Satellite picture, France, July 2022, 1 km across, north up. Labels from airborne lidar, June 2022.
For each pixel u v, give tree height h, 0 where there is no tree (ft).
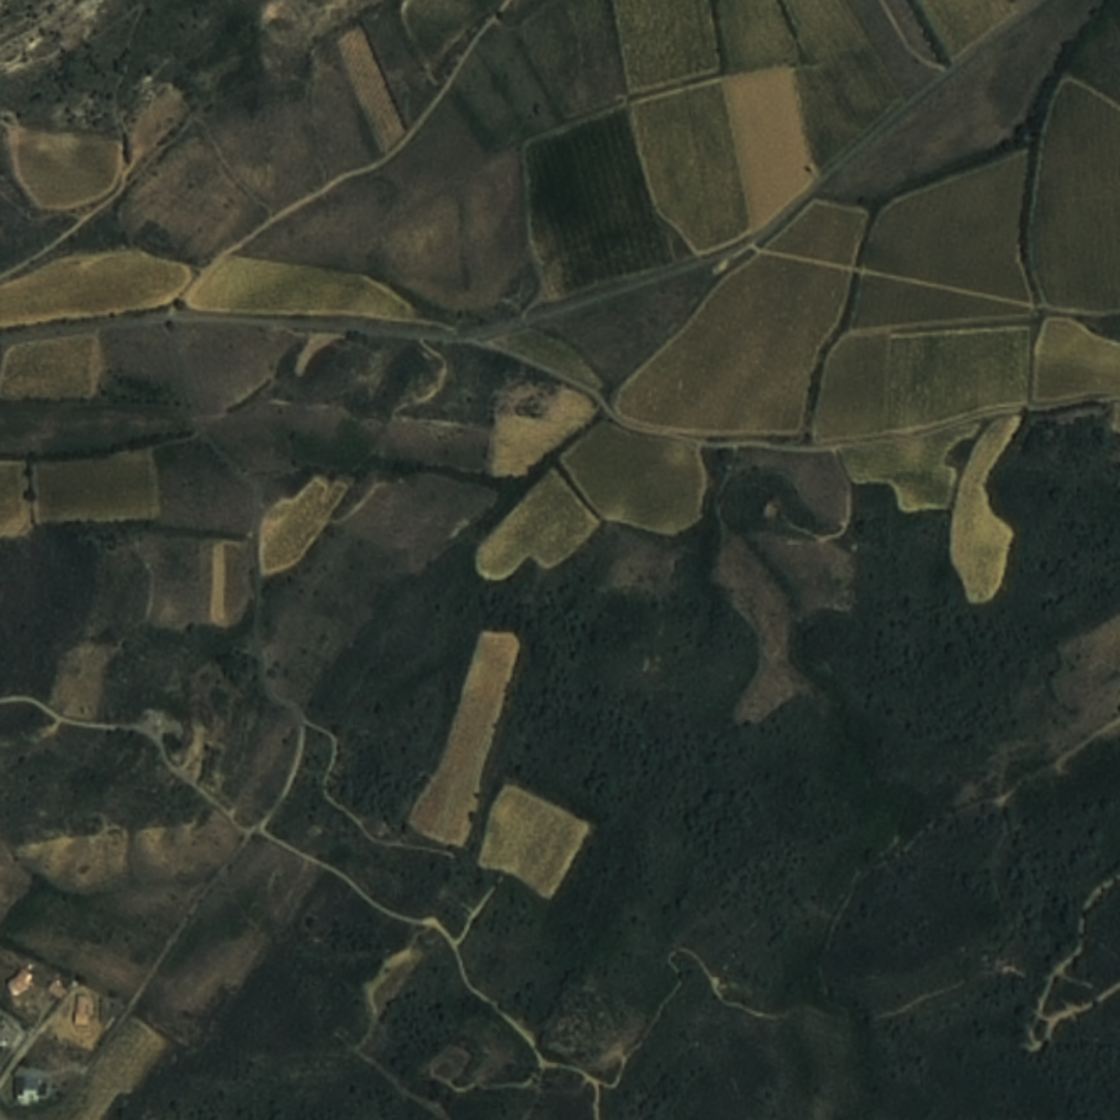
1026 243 20
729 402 0
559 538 0
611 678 0
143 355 0
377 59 32
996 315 0
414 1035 24
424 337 0
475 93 0
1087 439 20
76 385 0
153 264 0
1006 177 0
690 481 0
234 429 0
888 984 0
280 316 0
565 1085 0
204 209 0
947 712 28
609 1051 0
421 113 0
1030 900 48
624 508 0
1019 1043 21
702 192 0
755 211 0
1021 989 35
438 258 0
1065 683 0
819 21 0
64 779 0
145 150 0
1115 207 0
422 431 0
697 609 32
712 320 0
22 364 0
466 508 0
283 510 0
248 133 0
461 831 0
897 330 0
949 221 0
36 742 0
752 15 0
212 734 0
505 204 0
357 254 0
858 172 0
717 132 0
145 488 0
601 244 0
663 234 0
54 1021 0
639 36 0
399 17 0
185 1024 0
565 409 0
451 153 0
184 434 22
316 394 0
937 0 0
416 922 0
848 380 0
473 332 0
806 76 0
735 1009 0
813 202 0
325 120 0
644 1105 32
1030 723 0
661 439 0
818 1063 0
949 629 22
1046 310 0
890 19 0
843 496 0
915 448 0
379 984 0
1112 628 0
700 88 0
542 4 0
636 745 28
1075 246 0
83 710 0
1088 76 0
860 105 0
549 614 27
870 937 0
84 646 0
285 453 0
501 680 0
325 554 0
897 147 0
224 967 0
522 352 0
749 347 0
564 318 0
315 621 0
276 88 0
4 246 0
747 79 0
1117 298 0
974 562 0
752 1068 0
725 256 0
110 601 0
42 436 0
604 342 0
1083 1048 31
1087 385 0
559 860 0
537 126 0
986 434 0
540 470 30
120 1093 0
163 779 0
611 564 0
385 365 0
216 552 0
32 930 0
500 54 0
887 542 22
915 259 0
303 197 0
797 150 0
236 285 0
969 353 0
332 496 0
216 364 0
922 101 0
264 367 0
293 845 0
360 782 25
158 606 0
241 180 0
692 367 0
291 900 0
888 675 26
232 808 0
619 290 0
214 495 0
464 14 0
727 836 35
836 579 0
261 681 25
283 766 0
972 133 0
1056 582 24
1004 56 0
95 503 0
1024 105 0
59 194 0
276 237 0
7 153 0
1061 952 35
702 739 25
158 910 0
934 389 0
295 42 0
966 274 0
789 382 0
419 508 0
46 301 0
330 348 0
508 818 0
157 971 0
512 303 0
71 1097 0
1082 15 0
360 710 0
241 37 0
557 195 0
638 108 0
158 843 0
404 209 0
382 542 0
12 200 0
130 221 0
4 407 0
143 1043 0
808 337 0
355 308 0
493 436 0
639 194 0
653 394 0
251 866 0
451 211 0
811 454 0
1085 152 0
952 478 0
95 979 0
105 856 0
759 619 0
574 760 20
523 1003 34
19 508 0
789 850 20
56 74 27
